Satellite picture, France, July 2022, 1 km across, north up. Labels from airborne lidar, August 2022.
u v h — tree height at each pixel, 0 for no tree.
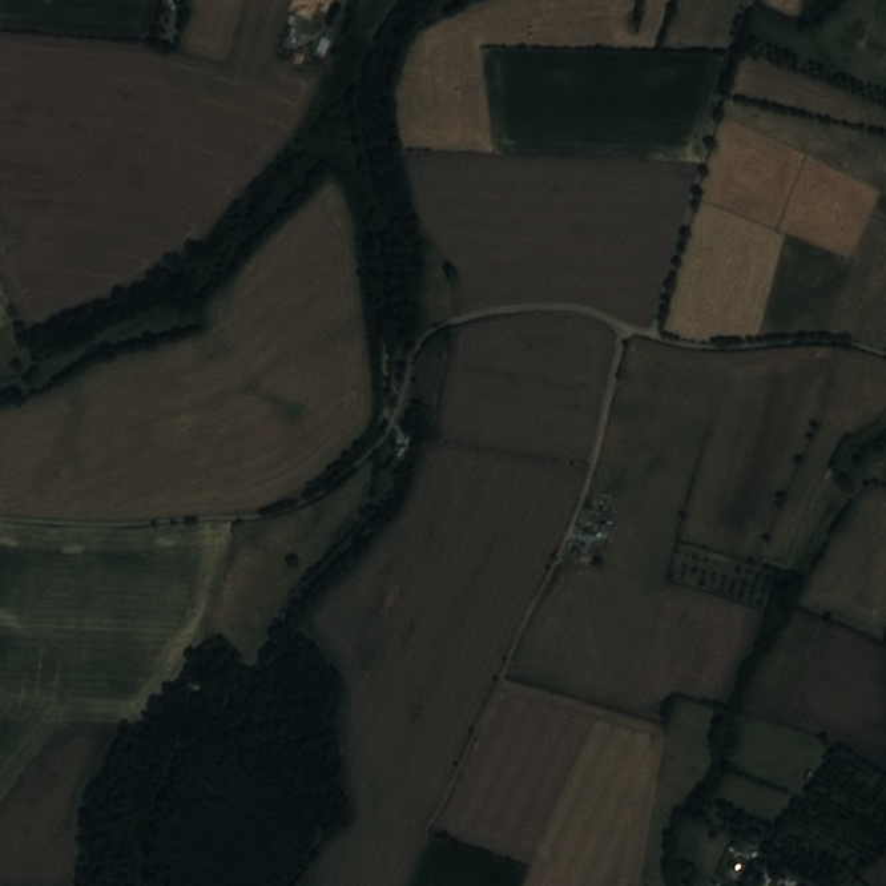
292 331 0
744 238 0
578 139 0
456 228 0
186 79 0
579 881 0
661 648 0
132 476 0
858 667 0
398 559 0
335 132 0
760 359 0
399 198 22
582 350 0
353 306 0
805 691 0
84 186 0
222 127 0
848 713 0
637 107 0
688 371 0
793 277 0
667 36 8
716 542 0
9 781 0
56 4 0
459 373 0
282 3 0
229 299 0
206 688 18
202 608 0
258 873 9
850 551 0
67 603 0
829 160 0
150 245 0
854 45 0
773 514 0
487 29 0
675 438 0
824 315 0
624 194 0
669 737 0
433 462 0
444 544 0
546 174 0
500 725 0
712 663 0
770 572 6
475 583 0
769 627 8
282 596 0
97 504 0
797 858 10
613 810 0
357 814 0
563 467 0
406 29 20
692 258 0
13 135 0
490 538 0
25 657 0
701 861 0
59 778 0
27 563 0
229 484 0
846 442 6
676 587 0
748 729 0
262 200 17
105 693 0
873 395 0
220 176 0
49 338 17
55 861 0
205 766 7
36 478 0
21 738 0
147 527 0
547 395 0
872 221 0
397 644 0
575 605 0
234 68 0
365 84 10
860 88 13
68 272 0
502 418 0
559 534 0
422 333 0
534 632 0
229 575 0
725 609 0
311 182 10
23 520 0
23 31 7
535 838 0
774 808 0
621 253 0
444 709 0
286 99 0
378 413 7
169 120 0
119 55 0
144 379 0
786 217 0
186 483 0
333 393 0
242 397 0
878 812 6
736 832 8
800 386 0
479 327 0
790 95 0
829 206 0
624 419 0
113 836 14
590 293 0
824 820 7
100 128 0
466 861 0
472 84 0
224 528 0
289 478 0
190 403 0
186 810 9
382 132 10
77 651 0
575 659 0
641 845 0
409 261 27
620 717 0
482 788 0
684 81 0
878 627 0
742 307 0
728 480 0
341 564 10
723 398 0
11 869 0
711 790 6
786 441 0
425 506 0
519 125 0
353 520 0
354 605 0
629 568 0
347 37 9
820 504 0
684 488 0
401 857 0
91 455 0
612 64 0
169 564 0
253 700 17
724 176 0
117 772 19
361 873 0
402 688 0
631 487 0
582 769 0
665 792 0
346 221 0
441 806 0
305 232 0
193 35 0
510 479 0
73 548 0
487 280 0
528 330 0
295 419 0
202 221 0
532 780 0
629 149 0
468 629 0
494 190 0
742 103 11
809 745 0
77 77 0
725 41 0
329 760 10
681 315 0
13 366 9
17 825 0
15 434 0
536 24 0
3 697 0
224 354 0
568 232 0
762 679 0
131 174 0
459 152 0
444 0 0
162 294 18
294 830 10
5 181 0
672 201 0
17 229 0
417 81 0
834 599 0
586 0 0
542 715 0
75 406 0
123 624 0
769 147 0
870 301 0
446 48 0
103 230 0
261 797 8
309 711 20
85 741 0
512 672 0
